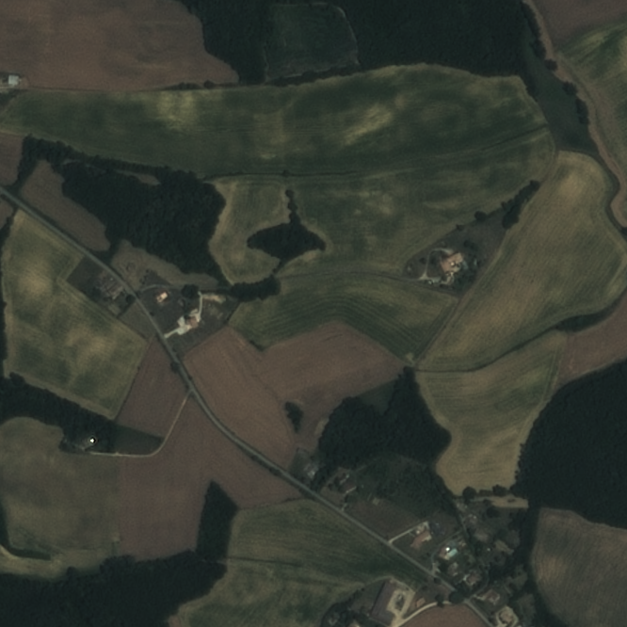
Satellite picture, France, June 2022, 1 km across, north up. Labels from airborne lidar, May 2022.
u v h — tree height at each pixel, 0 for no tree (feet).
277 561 0
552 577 0
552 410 42
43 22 0
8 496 0
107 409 0
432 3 66
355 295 0
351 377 0
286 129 0
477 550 34
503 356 0
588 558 0
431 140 0
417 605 0
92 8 0
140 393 0
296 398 0
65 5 0
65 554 0
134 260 0
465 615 0
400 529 0
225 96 0
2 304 46
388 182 0
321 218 0
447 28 72
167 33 0
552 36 0
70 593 57
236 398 0
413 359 0
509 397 0
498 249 0
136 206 86
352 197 0
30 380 0
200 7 98
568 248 0
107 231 28
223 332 0
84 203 54
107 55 0
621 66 0
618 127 0
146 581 44
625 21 0
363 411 53
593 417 61
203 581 51
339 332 0
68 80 0
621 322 0
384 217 0
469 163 0
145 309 0
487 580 20
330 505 0
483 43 73
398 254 0
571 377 0
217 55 48
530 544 54
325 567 0
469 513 0
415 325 0
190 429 0
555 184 0
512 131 0
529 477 67
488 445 0
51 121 0
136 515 0
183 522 0
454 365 0
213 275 38
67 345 0
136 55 0
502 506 0
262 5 34
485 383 0
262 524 0
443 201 0
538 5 0
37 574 0
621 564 0
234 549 0
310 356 0
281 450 0
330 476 46
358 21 51
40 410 42
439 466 0
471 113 0
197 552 32
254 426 0
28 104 0
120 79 0
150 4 0
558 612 0
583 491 49
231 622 0
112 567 96
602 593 0
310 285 0
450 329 0
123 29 0
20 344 0
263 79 38
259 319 0
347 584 0
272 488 0
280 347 0
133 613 41
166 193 38
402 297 0
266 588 0
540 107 0
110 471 0
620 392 65
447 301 0
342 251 0
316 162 0
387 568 0
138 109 0
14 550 19
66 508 0
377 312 0
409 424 59
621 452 73
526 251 0
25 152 40
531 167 0
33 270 0
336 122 0
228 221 0
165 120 0
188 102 0
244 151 0
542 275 0
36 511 0
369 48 37
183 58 0
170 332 0
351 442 73
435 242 0
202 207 52
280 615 0
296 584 0
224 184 0
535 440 25
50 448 0
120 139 0
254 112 0
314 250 41
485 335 0
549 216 0
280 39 0
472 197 0
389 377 0
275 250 37
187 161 0
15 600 53
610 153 0
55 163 51
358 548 0
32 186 0
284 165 0
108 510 0
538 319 0
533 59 0
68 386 0
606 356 0
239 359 0
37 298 0
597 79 0
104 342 0
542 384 0
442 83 0
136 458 0
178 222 79
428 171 0
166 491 0
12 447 0
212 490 37
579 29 0
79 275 0
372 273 0
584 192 0
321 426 0
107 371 0
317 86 0
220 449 0
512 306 0
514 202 34
